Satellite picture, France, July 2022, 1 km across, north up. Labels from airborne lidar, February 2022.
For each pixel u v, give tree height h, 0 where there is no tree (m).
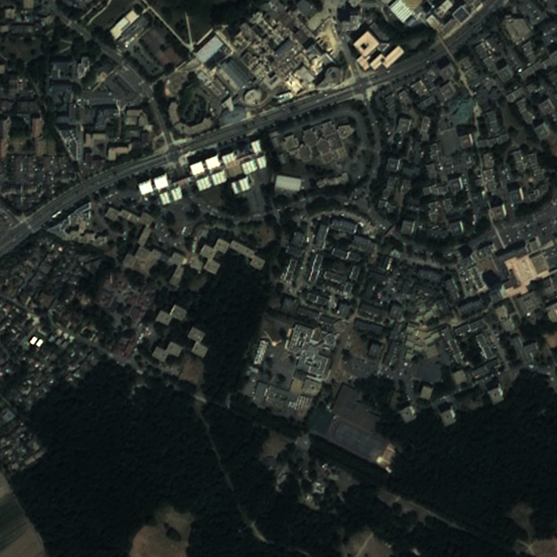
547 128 0
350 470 10
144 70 8
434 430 14
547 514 15
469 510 18
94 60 13
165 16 17
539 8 8
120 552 17
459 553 17
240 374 15
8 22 6
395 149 14
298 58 0
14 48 0
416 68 0
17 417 10
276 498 15
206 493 15
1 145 0
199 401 0
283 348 0
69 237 0
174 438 17
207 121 0
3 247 0
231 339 20
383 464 0
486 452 14
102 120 0
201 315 19
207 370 13
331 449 14
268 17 16
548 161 10
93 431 19
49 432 15
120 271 13
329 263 13
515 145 0
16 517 0
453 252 0
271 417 13
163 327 16
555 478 19
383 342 0
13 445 0
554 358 7
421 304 0
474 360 8
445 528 15
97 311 16
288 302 0
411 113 0
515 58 0
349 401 0
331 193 13
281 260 12
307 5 0
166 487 17
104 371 20
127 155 17
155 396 15
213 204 0
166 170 0
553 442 17
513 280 0
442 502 19
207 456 18
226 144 8
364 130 0
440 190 0
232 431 18
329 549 8
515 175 15
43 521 7
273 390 0
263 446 9
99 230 0
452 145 0
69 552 16
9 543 0
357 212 14
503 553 11
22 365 11
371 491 19
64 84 0
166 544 0
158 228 0
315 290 9
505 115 0
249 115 0
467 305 0
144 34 0
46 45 11
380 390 16
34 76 16
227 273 22
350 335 0
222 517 19
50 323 11
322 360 0
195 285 0
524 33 0
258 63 0
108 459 16
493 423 19
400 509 15
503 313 0
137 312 0
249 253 0
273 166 16
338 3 0
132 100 0
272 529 18
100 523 24
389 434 16
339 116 0
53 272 7
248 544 14
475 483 20
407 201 9
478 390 10
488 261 0
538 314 13
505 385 0
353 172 0
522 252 0
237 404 10
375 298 10
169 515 0
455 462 17
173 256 0
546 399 8
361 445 0
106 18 0
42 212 0
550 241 0
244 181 0
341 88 0
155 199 8
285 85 0
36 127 0
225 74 0
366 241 0
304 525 18
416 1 0
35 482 23
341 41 0
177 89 0
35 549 0
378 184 12
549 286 0
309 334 0
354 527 21
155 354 0
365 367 0
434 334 0
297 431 10
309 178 0
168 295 14
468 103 0
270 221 16
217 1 0
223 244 0
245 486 15
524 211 11
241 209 11
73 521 21
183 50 16
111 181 0
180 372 0
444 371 10
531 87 0
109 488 18
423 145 7
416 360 11
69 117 0
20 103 0
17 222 0
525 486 15
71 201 0
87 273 15
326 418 0
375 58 0
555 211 0
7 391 9
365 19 0
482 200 0
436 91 0
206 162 0
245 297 20
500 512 14
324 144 0
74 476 19
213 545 16
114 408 18
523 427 20
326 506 18
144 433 15
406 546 16
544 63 0
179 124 0
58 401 12
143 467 18
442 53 0
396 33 17
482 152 8
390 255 0
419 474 18
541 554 0
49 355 0
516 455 17
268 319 0
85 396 12
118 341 14
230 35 15
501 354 0
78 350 0
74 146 0
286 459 17
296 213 9
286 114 0
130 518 19
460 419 15
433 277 0
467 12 0
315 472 10
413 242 10
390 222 6
